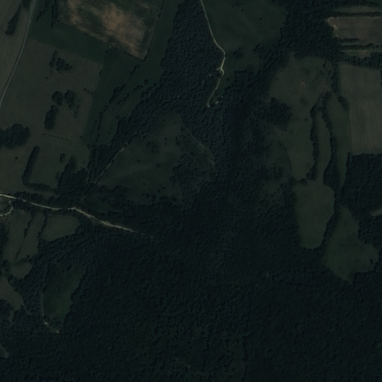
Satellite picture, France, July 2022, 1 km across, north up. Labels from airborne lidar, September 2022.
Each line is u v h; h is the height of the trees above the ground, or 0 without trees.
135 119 12
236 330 13
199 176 6
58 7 19
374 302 19
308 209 0
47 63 0
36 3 0
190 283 11
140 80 0
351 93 0
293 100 0
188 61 19
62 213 14
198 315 12
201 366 10
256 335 29
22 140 17
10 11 0
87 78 0
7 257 0
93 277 24
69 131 0
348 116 0
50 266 13
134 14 0
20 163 0
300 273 27
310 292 24
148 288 22
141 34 0
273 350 24
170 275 21
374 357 26
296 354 27
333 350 21
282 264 19
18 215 0
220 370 24
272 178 7
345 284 19
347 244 0
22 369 26
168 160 0
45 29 0
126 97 6
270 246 15
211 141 13
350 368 24
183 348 7
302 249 11
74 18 0
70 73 0
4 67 0
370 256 0
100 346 14
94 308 19
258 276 21
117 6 0
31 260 14
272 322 32
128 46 0
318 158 12
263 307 18
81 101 0
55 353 15
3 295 0
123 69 0
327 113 8
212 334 20
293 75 0
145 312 10
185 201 8
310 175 15
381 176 16
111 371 22
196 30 14
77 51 0
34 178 0
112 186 0
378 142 0
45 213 11
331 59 8
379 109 0
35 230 0
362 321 19
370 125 0
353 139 0
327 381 25
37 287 18
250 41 0
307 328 22
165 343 10
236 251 12
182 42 19
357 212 19
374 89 0
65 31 0
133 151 0
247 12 0
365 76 0
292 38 10
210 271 9
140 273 13
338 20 0
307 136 0
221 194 13
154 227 26
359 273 10
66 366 18
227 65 0
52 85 0
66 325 16
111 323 17
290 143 0
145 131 12
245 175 12
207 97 16
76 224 0
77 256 16
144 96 11
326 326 21
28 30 0
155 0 0
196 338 11
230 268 11
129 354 15
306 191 0
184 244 18
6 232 12
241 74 17
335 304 22
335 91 10
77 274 0
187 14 17
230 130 21
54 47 0
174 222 21
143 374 19
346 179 7
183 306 21
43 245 11
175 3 0
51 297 0
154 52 0
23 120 0
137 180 0
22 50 0
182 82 16
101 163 9
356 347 24
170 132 0
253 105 12
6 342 19
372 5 11
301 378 16
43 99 0
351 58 6
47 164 0
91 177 9
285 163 0
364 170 10
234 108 21
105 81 0
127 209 23
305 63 0
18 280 12
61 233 0
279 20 0
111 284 19
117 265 24
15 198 7
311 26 17
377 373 24
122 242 14
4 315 16
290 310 23
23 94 0
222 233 12
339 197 16
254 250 14
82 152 0
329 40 19
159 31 0
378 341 25
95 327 18
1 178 0
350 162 17
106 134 0
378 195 19
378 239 20
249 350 24
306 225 0
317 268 18
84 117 0
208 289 12
